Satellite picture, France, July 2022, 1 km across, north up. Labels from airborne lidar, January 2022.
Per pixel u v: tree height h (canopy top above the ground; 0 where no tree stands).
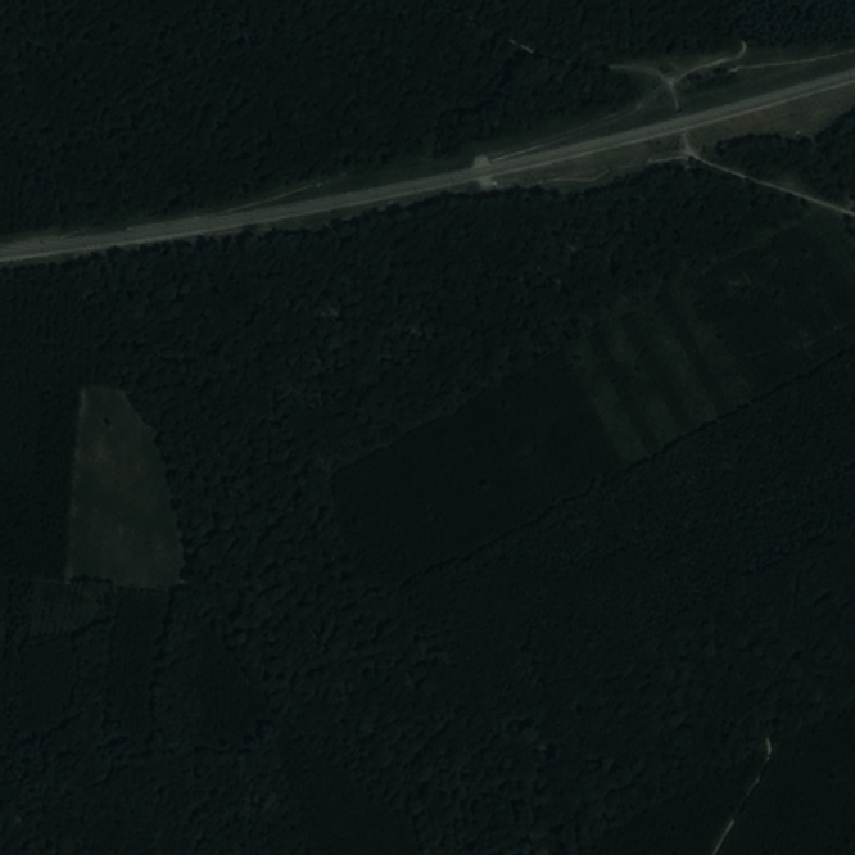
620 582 16
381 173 0
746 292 16
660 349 0
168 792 18
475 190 0
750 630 23
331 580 26
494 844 24
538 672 17
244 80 23
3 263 0
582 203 19
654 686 25
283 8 23
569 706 22
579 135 0
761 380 7
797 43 26
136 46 21
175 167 19
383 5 19
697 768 22
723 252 20
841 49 0
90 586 22
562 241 19
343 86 20
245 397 22
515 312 25
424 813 20
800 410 17
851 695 23
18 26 24
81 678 14
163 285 25
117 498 0
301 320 20
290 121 21
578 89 25
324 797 10
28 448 19
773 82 0
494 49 21
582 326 27
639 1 22
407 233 18
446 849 23
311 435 23
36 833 13
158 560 0
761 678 22
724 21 20
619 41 23
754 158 19
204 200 22
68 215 23
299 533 26
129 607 8
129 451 0
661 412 0
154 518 0
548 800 25
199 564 27
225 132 20
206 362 23
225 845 19
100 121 20
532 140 0
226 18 23
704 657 25
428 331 22
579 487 7
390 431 25
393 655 22
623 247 20
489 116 24
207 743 8
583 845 24
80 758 20
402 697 28
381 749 23
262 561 29
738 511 15
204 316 21
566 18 20
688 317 0
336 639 26
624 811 27
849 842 18
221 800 25
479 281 20
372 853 9
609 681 21
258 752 18
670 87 0
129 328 25
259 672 26
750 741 24
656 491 15
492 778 27
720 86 0
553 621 17
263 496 15
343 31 24
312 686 18
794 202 23
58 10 21
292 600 29
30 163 19
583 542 18
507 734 27
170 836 18
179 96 20
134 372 20
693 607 19
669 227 24
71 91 22
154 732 15
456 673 22
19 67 22
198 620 25
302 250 24
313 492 23
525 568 20
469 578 16
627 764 24
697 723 23
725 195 21
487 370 24
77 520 0
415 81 26
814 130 0
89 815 23
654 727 31
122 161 18
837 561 21
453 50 19
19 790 24
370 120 25
